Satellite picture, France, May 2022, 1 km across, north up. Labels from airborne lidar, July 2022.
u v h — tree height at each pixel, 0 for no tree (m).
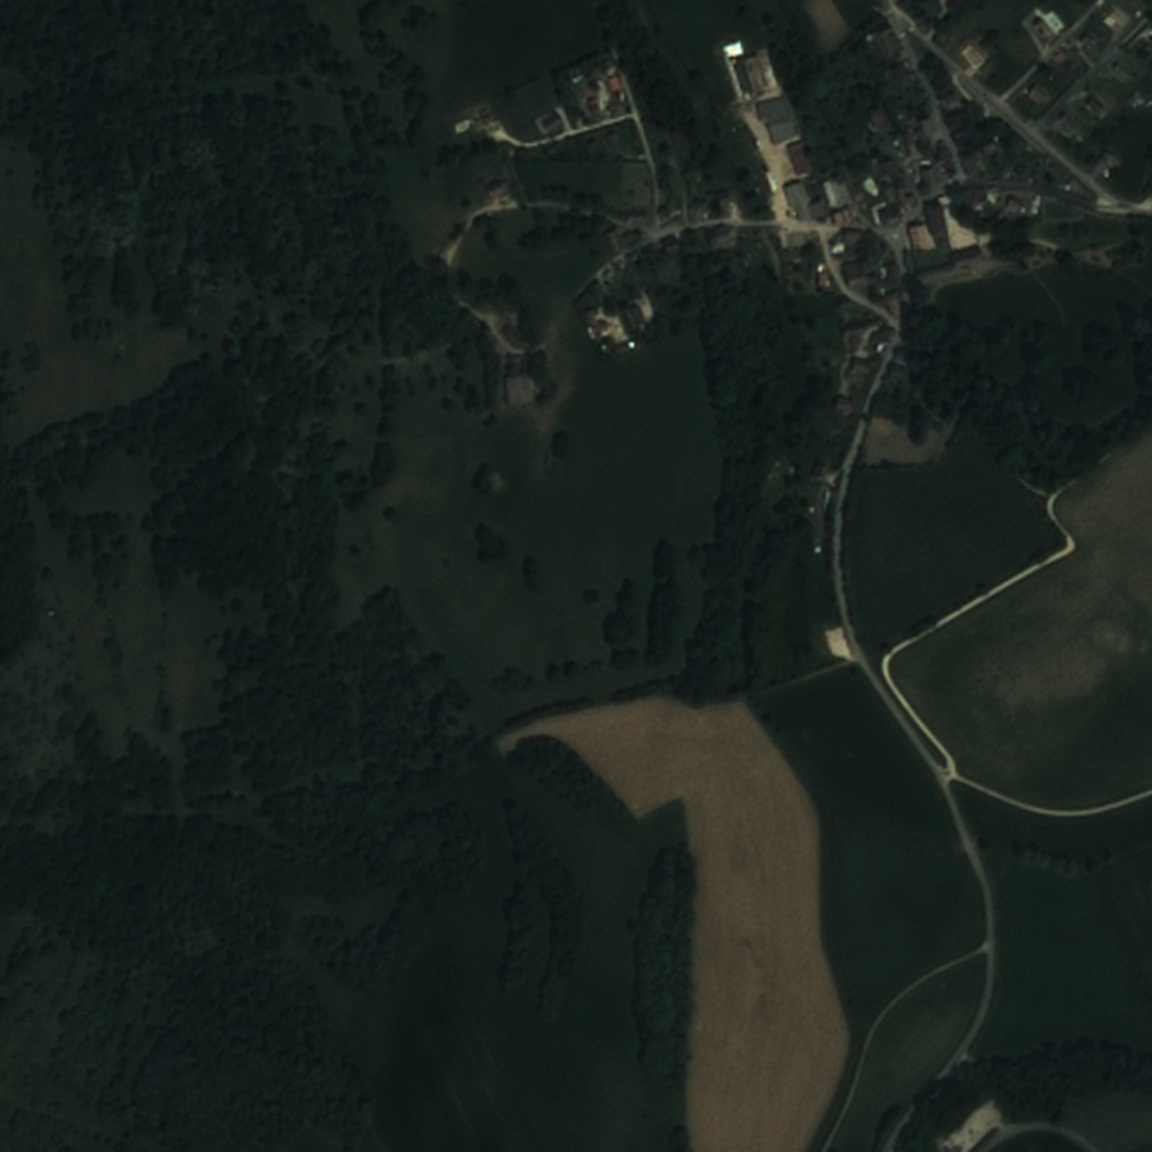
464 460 0
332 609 15
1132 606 0
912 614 0
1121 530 0
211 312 0
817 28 0
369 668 18
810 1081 0
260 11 19
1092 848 0
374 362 0
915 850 0
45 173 9
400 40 0
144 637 0
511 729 10
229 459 15
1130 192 0
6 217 0
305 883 10
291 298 11
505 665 0
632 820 0
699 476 0
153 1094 15
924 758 0
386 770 14
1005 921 0
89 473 13
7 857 6
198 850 11
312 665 11
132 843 13
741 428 17
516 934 11
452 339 21
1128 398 0
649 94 11
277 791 18
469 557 0
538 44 0
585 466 0
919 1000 0
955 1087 17
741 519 19
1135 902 0
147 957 13
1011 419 29
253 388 15
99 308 0
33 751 0
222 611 6
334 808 22
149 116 17
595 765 0
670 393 0
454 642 0
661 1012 26
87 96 20
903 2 10
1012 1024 0
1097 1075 17
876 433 0
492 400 11
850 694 0
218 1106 14
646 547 0
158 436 17
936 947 0
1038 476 17
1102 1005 0
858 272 0
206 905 14
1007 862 0
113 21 19
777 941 0
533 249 15
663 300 6
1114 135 7
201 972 15
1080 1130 0
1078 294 0
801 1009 0
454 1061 0
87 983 7
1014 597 0
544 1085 0
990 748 0
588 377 0
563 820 0
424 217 0
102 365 0
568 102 10
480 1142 0
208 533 19
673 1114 0
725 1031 0
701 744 0
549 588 0
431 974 0
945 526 0
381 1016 0
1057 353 0
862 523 0
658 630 16
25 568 7
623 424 0
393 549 0
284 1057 20
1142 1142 0
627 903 0
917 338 24
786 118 0
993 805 0
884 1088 0
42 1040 0
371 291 21
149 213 17
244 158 18
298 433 19
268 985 14
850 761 0
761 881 0
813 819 0
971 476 0
